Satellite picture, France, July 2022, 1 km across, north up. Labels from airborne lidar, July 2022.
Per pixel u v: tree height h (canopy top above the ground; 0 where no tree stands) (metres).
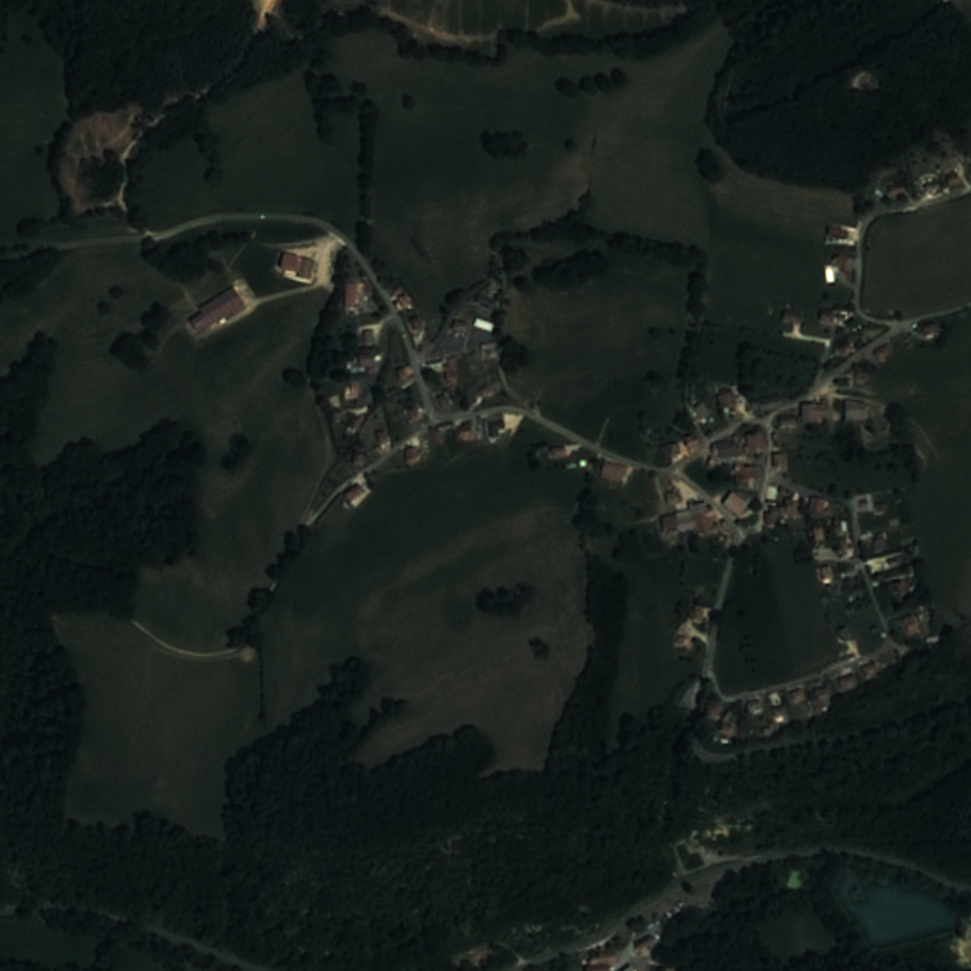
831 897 33
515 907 22
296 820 22
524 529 0
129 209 9
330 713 25
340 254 5
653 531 0
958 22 19
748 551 13
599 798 26
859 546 7
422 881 14
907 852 21
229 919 13
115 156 16
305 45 26
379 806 14
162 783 0
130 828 11
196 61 22
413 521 0
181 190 0
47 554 14
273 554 0
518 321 0
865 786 26
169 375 0
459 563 0
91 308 0
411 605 0
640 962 0
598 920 8
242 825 20
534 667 0
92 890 20
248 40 9
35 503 27
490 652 0
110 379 0
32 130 0
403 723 0
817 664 0
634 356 0
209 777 0
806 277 0
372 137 13
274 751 30
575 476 0
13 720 7
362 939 28
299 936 10
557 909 16
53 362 16
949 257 0
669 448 0
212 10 24
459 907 20
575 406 0
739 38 18
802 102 16
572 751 23
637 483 0
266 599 12
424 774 13
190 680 0
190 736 0
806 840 10
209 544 0
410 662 0
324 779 25
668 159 0
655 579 0
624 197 0
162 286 0
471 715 0
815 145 20
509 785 11
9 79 0
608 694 8
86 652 0
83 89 26
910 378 0
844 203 0
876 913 0
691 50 0
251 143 0
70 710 30
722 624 23
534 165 0
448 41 0
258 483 0
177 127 21
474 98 0
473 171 0
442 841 11
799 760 20
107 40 27
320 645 0
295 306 0
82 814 0
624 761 17
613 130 0
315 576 0
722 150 17
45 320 0
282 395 0
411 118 0
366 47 0
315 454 0
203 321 0
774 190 0
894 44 18
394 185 0
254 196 0
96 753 0
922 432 0
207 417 0
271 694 0
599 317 0
